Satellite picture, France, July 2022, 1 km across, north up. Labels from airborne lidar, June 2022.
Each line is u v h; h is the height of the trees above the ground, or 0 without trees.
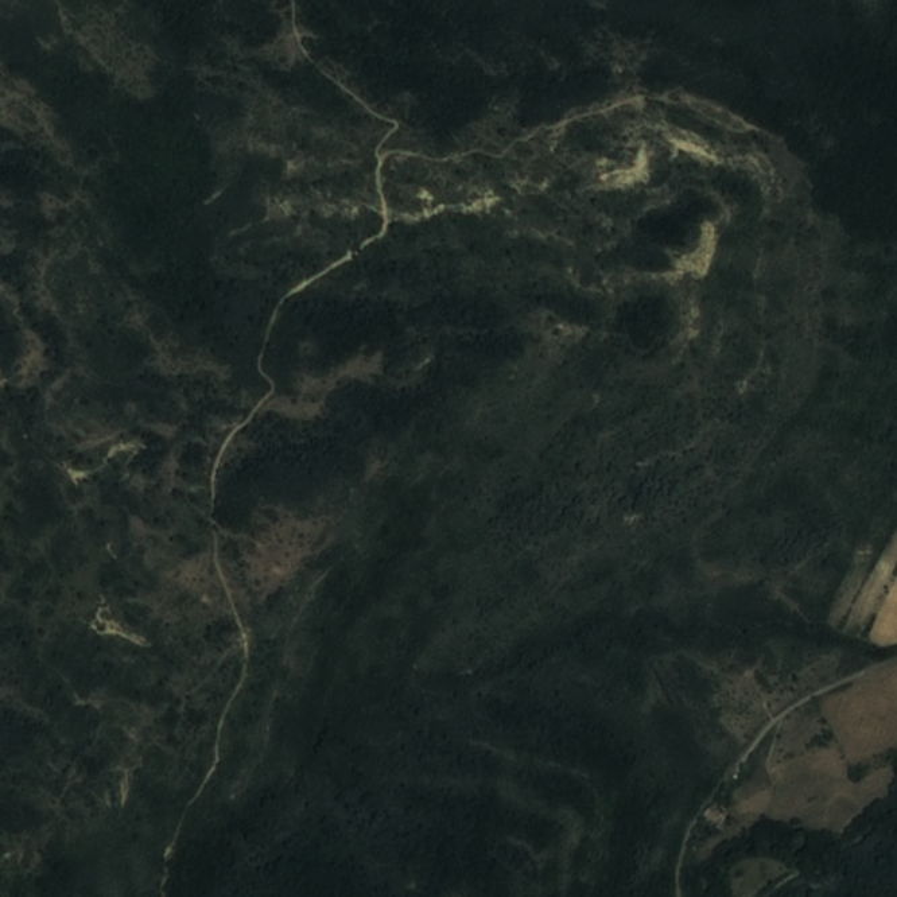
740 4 5
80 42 0
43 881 6
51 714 6
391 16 6
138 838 12
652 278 0
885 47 10
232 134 0
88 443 0
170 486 0
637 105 0
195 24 7
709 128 6
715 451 7
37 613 0
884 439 6
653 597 9
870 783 0
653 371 0
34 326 7
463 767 10
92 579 0
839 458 7
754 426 7
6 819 0
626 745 6
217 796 6
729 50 8
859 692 0
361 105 0
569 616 5
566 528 9
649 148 0
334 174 0
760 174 0
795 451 6
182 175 7
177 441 0
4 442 0
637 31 6
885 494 6
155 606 0
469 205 0
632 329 6
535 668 9
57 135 0
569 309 5
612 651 9
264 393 0
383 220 0
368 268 7
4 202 0
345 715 6
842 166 7
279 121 0
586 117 0
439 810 6
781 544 8
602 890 10
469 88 9
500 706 10
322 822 8
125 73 0
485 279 0
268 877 8
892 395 7
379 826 6
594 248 0
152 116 7
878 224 14
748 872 0
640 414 12
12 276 7
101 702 0
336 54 6
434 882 7
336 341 6
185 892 7
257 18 7
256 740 0
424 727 6
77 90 6
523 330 0
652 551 6
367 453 0
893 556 0
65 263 0
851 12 6
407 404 6
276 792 5
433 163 0
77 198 0
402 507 6
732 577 0
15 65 7
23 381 0
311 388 0
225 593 0
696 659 0
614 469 7
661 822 8
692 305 0
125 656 0
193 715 6
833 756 0
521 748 8
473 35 6
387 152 0
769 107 6
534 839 7
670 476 8
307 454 10
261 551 0
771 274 0
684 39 6
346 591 6
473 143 0
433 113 6
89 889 7
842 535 6
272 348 10
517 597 6
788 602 0
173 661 6
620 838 7
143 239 6
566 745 9
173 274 7
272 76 6
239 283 10
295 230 0
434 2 6
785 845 15
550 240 0
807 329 0
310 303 9
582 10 9
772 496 6
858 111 8
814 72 7
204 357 0
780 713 0
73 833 0
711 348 0
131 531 0
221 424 0
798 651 8
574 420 6
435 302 8
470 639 7
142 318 0
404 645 10
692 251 0
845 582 0
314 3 8
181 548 0
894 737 0
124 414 0
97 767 8
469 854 9
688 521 12
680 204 6
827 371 6
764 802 0
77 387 0
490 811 11
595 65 7
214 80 7
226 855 7
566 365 7
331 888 11
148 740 0
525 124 7
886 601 0
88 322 0
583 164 0
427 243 0
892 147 10
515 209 0
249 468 6
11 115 0
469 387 6
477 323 6
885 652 6
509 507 8
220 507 7
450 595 8
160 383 10
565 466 6
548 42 7
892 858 8
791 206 0
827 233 0
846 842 8
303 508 0
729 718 0
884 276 8
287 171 0
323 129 0
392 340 6
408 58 6
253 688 7
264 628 0
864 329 7
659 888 11
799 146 6
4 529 0
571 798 6
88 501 0
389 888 6
